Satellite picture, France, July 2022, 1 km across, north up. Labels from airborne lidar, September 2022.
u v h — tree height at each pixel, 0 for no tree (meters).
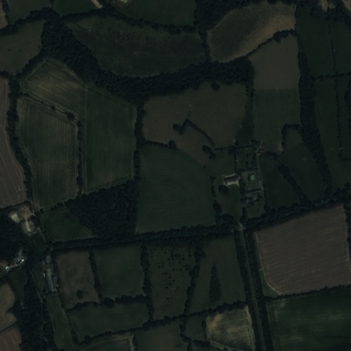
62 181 0
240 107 0
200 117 0
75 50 19
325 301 0
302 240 0
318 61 0
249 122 0
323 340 0
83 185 14
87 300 0
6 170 0
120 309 0
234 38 0
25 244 8
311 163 0
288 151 0
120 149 0
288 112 0
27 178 10
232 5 21
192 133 0
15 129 7
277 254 0
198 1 20
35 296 16
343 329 0
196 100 0
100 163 0
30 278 15
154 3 0
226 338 0
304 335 0
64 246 10
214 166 0
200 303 0
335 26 0
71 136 0
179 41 0
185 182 0
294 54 0
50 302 0
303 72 15
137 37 0
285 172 22
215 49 0
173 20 0
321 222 0
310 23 0
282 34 14
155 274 0
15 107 7
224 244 0
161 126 0
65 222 0
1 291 0
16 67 0
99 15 18
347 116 0
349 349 0
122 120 0
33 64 19
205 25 20
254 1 17
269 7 0
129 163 0
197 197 0
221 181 0
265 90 0
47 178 0
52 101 0
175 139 0
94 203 13
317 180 0
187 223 0
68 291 0
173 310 0
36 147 0
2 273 0
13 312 9
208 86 0
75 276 0
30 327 15
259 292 18
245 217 29
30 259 20
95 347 0
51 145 0
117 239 13
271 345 13
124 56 0
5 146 0
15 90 9
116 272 0
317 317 0
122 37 0
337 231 0
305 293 7
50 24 26
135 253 0
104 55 0
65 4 0
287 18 0
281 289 0
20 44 0
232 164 0
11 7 0
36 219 16
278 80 0
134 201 23
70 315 0
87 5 0
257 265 13
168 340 0
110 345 0
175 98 0
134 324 0
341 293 0
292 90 0
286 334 0
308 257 0
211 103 0
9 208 8
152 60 0
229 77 23
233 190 0
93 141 0
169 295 0
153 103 0
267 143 0
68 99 0
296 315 0
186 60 0
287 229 0
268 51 0
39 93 0
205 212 0
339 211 0
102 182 0
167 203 0
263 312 12
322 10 27
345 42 0
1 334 0
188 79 29
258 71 0
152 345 0
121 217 13
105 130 0
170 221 0
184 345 0
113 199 14
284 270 0
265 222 13
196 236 18
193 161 0
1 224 25
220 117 0
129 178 0
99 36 0
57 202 0
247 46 0
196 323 0
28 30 0
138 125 18
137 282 0
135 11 0
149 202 0
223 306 10
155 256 0
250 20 0
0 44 0
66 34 20
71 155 0
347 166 0
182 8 0
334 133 0
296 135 0
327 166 18
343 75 10
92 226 20
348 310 0
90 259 14
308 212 12
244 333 0
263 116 0
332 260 0
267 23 0
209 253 0
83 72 20
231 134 0
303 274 0
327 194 14
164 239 25
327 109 0
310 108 16
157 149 0
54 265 13
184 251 0
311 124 22
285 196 0
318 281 0
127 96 17
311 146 16
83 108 0
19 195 0
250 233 18
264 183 7
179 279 0
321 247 0
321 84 0
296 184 16
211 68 23
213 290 9
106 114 0
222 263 0
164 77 15
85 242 16
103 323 0
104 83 22
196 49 0
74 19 17
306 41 0
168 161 0
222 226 23
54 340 12
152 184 0
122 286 0
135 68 0
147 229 0
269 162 0
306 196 17
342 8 10
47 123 0
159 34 0
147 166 0
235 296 0
